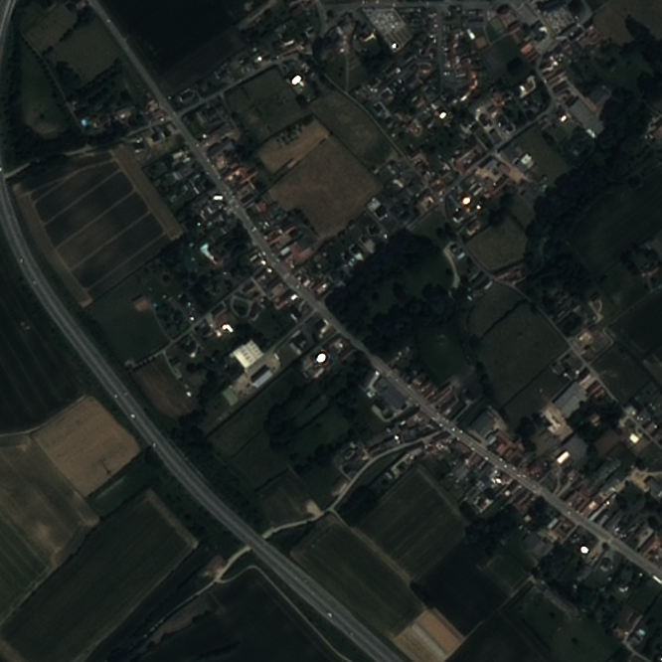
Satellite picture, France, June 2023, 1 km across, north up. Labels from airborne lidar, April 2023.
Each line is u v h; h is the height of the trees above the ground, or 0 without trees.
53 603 0
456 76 0
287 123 0
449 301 21
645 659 0
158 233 0
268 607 0
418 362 7
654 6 0
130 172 0
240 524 0
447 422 0
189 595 0
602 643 0
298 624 0
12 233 0
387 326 27
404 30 0
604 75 0
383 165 0
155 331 0
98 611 0
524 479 0
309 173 0
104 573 0
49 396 0
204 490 0
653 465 0
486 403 0
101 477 0
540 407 0
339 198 0
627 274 0
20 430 0
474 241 0
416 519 0
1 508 0
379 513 0
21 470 0
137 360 0
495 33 0
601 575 0
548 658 0
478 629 0
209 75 0
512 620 0
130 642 0
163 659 0
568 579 0
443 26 0
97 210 0
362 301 22
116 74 7
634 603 0
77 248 0
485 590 0
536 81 0
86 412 0
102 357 0
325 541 0
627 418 0
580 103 0
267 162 0
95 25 0
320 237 0
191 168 0
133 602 0
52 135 0
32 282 0
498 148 0
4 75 0
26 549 0
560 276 18
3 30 0
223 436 0
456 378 0
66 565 6
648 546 0
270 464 0
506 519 17
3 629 0
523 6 0
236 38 0
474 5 0
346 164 0
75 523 0
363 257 0
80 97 11
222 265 0
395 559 0
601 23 0
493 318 0
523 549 0
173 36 0
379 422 0
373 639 0
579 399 0
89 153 0
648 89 31
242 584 0
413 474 0
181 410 0
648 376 0
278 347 0
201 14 0
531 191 0
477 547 13
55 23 0
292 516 0
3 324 0
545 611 0
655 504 12
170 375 0
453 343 0
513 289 0
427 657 0
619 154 24
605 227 0
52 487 0
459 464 0
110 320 0
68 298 0
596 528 0
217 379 13
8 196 0
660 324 0
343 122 0
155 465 11
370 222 0
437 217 0
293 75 0
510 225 0
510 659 0
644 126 10
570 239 0
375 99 0
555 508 0
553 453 0
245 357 0
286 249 0
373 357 0
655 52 29
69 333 0
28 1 8
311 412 0
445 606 0
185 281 13
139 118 9
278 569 0
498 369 0
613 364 0
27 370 0
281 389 0
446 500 0
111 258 0
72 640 0
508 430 0
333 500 0
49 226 0
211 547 0
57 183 0
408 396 0
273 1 0
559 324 8
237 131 0
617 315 0
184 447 8
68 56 0
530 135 0
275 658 0
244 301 0
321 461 15
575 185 20
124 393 0
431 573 0
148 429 0
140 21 0
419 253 23
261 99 0
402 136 7
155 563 0
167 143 0
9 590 0
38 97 0
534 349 0
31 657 0
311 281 0
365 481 0
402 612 0
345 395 19
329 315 0
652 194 0
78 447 0
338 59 0
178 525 0
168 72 0
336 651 0
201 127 0
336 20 0
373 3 0
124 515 0
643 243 0
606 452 0
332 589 0
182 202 0
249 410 0
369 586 0
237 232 11
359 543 0
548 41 0
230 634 0
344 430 0
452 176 0
